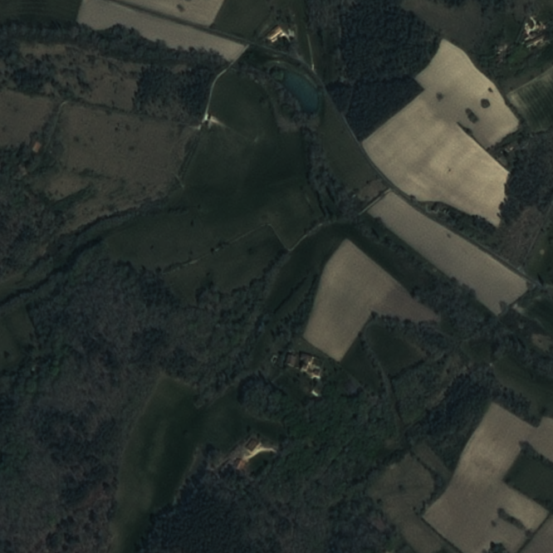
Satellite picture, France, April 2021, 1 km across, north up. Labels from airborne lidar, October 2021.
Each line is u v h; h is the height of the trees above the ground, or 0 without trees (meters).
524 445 15
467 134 7
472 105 0
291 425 25
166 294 12
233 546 22
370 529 21
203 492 24
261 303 12
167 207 0
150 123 0
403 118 0
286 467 22
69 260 0
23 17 0
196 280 0
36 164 15
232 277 0
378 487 0
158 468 0
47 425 28
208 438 0
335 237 0
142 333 13
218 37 0
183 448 0
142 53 20
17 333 0
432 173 0
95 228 17
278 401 26
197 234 0
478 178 0
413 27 17
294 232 0
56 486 17
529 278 0
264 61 0
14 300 18
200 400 9
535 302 0
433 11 0
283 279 0
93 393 18
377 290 0
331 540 17
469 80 0
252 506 20
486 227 17
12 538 15
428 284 0
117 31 16
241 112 0
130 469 0
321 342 0
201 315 22
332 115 0
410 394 21
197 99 13
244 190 0
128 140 0
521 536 0
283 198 0
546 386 0
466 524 0
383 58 20
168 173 0
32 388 23
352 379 0
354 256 0
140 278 11
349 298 0
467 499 0
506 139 6
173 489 0
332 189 18
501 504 0
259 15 0
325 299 0
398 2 19
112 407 18
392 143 0
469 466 0
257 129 0
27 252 23
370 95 16
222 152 0
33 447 23
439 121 0
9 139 0
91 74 0
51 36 15
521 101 0
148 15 0
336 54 17
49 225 11
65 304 17
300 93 0
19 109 0
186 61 14
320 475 17
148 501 0
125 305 12
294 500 18
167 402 0
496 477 0
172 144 0
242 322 12
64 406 20
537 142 17
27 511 21
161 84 8
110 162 0
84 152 0
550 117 0
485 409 18
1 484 25
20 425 22
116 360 20
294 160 0
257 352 0
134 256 0
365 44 21
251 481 12
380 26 14
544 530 0
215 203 0
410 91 16
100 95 0
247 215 0
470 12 0
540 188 14
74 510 24
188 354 18
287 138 0
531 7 13
